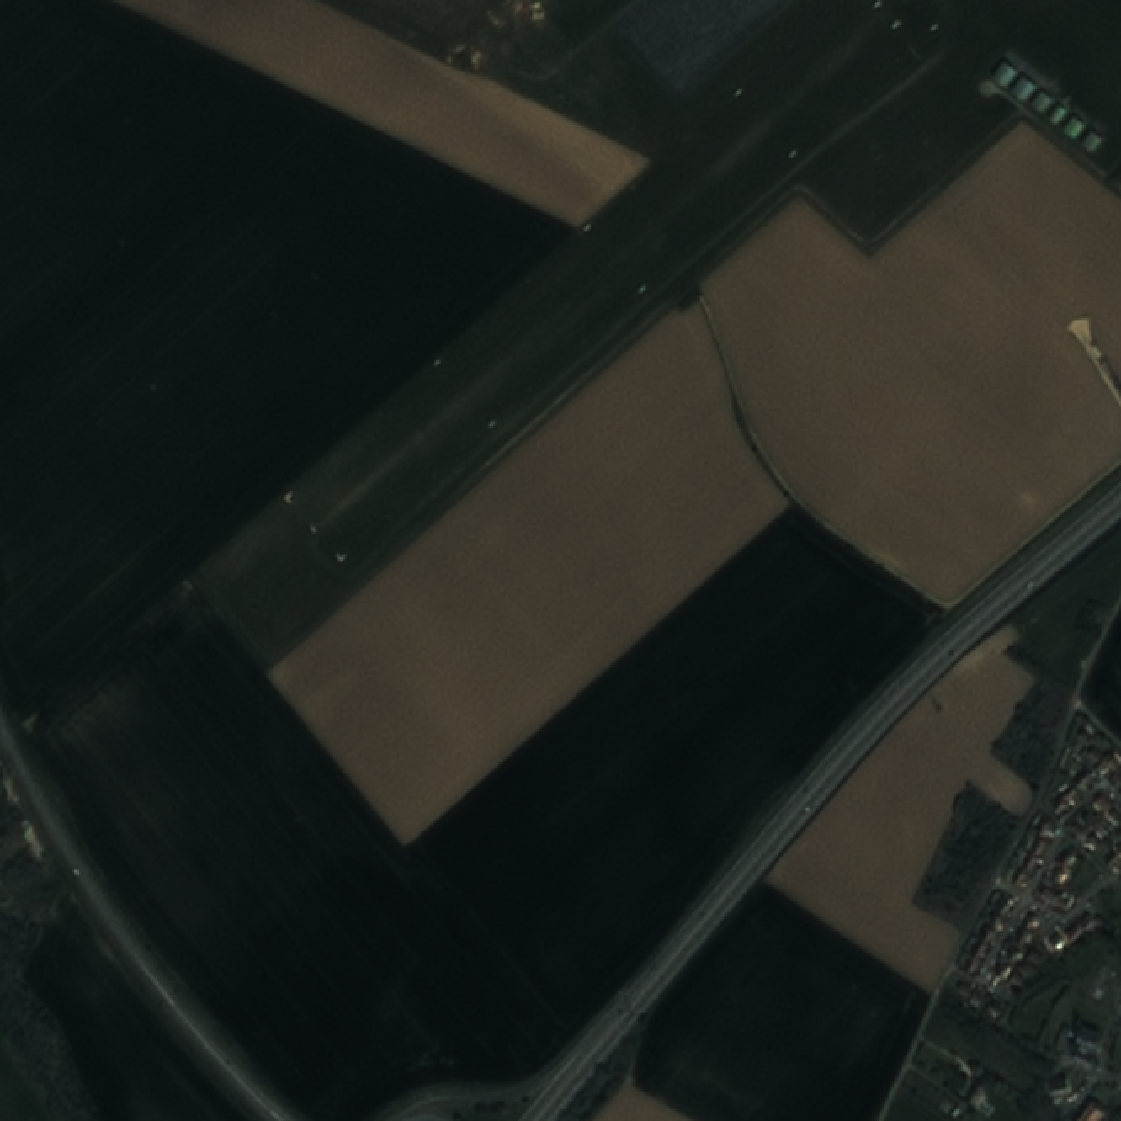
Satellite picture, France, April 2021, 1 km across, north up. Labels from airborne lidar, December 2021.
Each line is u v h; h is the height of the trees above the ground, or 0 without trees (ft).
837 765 0
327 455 0
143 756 0
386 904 0
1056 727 31
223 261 0
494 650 0
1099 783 0
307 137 0
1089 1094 0
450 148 0
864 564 0
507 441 0
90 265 0
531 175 0
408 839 0
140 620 0
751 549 0
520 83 0
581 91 0
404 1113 0
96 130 0
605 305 0
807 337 0
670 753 0
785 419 0
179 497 0
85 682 0
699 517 0
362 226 0
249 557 0
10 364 0
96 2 0
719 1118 0
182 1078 0
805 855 0
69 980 0
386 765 0
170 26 0
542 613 0
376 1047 0
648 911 0
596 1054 0
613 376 0
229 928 0
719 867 0
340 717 0
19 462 0
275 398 0
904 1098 0
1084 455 0
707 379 0
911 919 0
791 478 0
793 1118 0
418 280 0
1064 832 0
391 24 0
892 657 0
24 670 0
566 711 0
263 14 0
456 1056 0
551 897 0
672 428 0
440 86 0
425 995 0
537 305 0
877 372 0
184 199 0
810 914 0
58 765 0
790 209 0
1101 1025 0
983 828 25
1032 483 0
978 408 0
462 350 0
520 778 0
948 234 0
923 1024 0
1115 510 0
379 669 0
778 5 0
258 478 0
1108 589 0
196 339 0
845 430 0
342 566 0
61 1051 31
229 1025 0
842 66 0
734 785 0
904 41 0
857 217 0
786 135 0
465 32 0
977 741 0
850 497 0
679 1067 0
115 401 0
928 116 0
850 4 0
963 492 0
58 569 0
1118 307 0
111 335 0
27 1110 0
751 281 0
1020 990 39
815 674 0
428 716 0
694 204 0
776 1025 0
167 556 0
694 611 0
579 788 0
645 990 0
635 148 0
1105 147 0
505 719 0
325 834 0
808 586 0
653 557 0
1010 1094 19
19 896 0
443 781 0
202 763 0
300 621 0
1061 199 0
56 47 0
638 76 0
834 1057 0
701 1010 0
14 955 52
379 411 0
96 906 0
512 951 0
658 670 0
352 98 0
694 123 0
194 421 0
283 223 0
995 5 0
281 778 0
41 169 0
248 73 0
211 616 0
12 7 0
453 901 0
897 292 0
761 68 0
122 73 0
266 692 0
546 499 0
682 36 0
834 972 0
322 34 0
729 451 0
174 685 0
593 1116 0
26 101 0
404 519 0
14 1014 68
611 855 0
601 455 0
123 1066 0
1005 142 0
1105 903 27
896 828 0
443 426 0
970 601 0
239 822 0
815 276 0
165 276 0
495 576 0
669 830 0
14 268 0
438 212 0
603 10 0
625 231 0
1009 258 0
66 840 0
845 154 0
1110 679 0
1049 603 0
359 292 0
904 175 0
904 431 0
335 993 0
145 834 0
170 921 0
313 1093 0
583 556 0
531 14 0
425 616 0
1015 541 0
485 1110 18
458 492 0
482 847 0
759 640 0
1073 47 0
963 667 0
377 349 0
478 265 0
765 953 0
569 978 0
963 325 0
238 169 0
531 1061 0
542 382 0
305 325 0
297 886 0
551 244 0
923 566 0
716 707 0
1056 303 0
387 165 0
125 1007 0
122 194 0
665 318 0
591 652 0
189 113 0
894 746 0
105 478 0
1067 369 0
